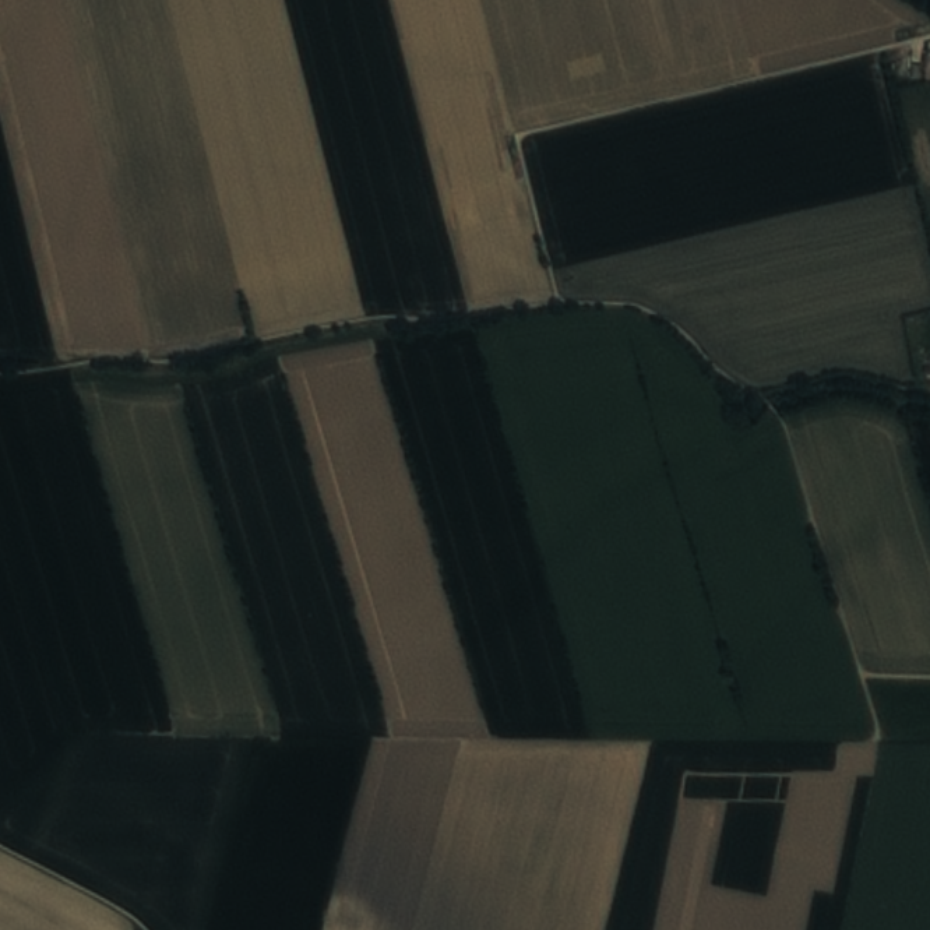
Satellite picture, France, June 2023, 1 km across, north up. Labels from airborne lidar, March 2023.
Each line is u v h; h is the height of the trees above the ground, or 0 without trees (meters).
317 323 0
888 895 0
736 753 0
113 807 0
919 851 0
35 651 0
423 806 0
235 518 0
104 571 0
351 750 0
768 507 0
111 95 0
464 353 0
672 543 0
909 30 0
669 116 0
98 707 0
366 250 0
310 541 0
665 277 0
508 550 0
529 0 0
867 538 0
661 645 0
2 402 0
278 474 0
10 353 0
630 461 0
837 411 0
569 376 0
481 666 0
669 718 0
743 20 0
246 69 0
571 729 0
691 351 9
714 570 0
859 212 0
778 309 0
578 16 0
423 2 0
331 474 0
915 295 0
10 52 0
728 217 0
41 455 0
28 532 0
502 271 0
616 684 0
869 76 0
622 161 0
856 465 0
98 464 8
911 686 0
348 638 0
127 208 0
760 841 0
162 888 0
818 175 0
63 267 0
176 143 0
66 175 0
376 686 6
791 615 0
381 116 0
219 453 0
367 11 0
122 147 0
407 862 0
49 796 0
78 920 0
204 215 0
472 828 0
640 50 0
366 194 0
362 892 0
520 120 0
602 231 0
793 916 0
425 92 0
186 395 0
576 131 0
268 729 0
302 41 0
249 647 0
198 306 0
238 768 0
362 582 0
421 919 0
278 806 0
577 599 0
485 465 0
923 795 0
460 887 0
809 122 0
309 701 0
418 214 0
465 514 0
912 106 0
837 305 0
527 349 0
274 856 0
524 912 0
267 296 0
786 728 0
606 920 0
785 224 0
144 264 0
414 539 0
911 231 0
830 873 0
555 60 0
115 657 0
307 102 0
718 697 0
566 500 0
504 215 0
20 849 0
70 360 0
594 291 0
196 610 0
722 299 0
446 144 0
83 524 0
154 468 0
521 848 0
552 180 0
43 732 0
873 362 0
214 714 0
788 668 0
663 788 0
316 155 0
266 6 0
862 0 0
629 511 0
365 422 0
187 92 0
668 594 0
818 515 0
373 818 0
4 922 0
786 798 0
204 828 0
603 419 0
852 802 0
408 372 0
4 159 0
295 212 0
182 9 0
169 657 0
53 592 0
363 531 0
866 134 0
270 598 0
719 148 0
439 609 0
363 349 0
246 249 0
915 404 9
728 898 0
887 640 0
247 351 10
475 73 0
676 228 0
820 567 13
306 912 0
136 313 0
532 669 0
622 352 0
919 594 0
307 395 0
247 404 0
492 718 0
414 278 0
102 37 0
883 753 0
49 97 0
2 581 0
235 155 0
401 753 0
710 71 0
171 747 0
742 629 0
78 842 0
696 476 0
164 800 0
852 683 0
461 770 0
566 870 0
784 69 0
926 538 0
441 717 0
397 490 0
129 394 0
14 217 0
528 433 0
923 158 0
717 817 0
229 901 0
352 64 0
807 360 0
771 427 0
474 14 0
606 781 0
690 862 0
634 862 0
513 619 0
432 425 0
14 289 0
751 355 0
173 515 0
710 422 0
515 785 0
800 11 0
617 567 0
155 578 0
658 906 0
